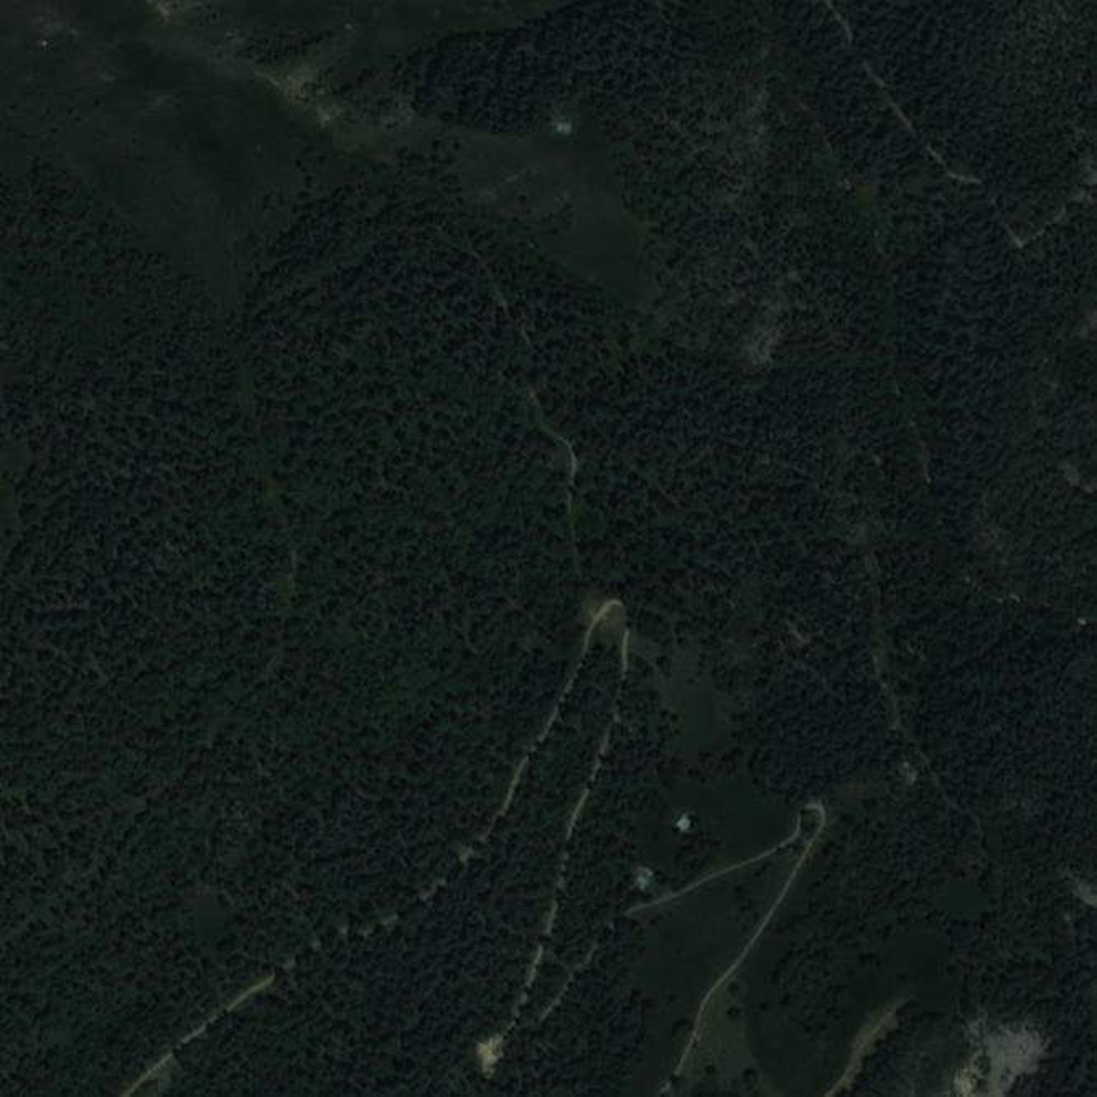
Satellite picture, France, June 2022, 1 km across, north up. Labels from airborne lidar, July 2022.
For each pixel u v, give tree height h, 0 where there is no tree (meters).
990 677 31
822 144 10
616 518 12
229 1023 23
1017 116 23
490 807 12
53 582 12
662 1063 0
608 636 0
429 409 10
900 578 14
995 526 12
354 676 10
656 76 8
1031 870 21
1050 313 20
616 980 21
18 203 9
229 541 9
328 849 15
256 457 8
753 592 7
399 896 23
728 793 0
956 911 0
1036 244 12
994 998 17
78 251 8
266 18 0
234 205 0
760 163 7
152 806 18
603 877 22
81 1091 10
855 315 28
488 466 17
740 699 5
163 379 8
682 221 10
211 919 0
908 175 24
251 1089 14
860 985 0
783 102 16
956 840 16
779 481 11
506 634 12
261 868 11
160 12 0
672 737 14
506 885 28
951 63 22
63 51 0
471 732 17
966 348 35
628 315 7
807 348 21
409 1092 7
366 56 0
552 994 21
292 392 9
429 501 13
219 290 0
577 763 12
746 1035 0
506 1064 12
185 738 19
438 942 29
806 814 9
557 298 26
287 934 23
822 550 32
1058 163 13
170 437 18
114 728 15
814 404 19
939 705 15
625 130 11
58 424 12
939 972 0
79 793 17
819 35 24
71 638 19
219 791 23
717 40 14
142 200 0
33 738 9
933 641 19
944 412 11
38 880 10
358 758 9
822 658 9
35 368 12
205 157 0
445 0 0
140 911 13
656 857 0
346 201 14
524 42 26
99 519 19
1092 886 10
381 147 0
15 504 0
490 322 30
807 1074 0
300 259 12
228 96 0
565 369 11
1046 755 30
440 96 13
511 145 0
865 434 27
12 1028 13
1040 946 18
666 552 12
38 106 0
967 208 13
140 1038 22
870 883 20
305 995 10
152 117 0
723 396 31
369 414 15
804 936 22
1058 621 18
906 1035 9
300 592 11
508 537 26
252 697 10
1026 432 13
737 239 16
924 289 7
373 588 21
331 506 9
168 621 7
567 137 0
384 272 9
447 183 14
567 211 8
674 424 26
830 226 12
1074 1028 27
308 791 13
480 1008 6
